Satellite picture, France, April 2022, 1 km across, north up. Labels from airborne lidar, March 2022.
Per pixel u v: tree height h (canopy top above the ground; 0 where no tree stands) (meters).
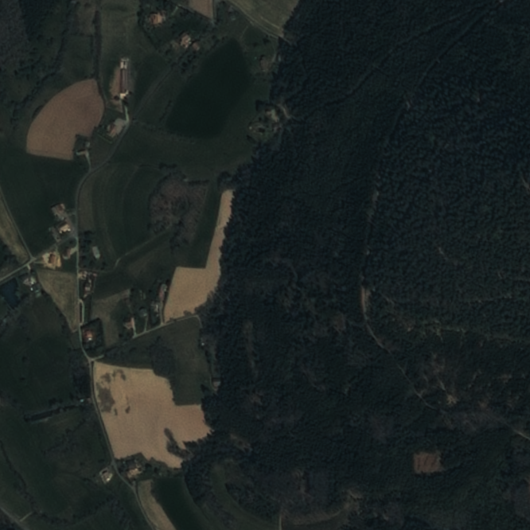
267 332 24
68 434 11
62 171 0
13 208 0
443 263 22
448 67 13
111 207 0
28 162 0
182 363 0
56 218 0
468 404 10
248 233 12
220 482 0
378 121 14
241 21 0
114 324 0
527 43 18
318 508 25
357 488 18
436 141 23
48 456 11
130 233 0
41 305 0
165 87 0
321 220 17
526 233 19
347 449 26
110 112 0
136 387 0
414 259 23
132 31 0
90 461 0
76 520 13
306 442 27
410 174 24
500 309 22
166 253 0
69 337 9
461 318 18
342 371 14
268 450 28
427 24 18
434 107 28
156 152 0
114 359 11
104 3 0
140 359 0
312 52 18
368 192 19
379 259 22
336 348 15
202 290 0
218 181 0
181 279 0
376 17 19
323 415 21
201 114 0
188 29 0
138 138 0
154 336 0
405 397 25
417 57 15
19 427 0
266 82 8
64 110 0
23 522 0
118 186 0
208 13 0
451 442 28
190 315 8
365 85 13
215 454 27
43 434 0
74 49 0
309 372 31
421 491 20
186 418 0
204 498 19
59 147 0
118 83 0
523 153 8
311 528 0
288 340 20
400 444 30
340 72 21
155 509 0
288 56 23
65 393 0
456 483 21
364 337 25
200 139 0
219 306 16
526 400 10
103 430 0
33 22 18
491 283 26
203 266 0
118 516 18
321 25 19
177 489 0
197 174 0
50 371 0
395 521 35
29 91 0
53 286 0
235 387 21
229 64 0
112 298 0
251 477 27
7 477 0
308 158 17
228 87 0
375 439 28
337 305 12
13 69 0
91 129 0
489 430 24
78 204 0
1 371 0
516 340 22
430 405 13
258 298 21
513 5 15
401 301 25
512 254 22
